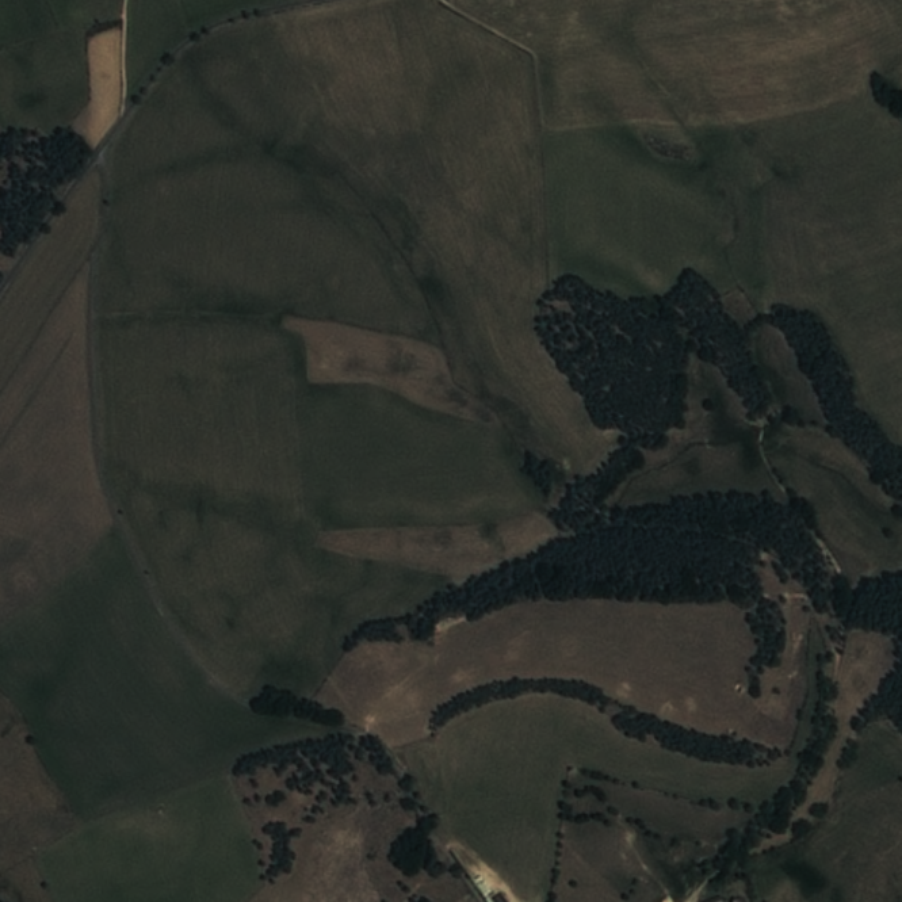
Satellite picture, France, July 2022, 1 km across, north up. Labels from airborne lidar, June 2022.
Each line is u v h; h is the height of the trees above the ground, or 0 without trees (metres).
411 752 0
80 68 0
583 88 0
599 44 0
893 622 21
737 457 0
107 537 0
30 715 0
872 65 0
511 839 0
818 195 0
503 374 0
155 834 0
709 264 0
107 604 0
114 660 0
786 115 0
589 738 0
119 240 0
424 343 0
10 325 0
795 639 0
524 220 0
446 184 0
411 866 18
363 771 0
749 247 0
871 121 0
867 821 0
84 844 0
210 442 0
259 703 15
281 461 0
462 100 0
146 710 0
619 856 0
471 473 0
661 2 0
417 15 0
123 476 0
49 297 0
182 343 0
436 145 0
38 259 0
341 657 0
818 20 0
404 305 0
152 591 0
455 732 0
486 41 0
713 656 0
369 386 0
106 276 0
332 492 0
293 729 0
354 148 0
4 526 0
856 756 15
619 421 19
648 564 19
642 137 0
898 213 0
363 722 0
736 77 0
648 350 19
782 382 0
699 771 0
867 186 0
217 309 0
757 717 0
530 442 0
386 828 0
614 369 22
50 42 0
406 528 0
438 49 0
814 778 11
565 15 0
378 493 0
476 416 0
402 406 0
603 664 0
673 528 12
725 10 0
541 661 0
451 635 0
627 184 0
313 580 0
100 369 0
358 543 0
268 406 0
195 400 0
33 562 0
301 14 0
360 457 0
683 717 0
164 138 0
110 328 0
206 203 0
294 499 0
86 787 0
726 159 0
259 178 0
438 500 0
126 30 0
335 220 0
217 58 0
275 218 0
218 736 0
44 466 0
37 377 0
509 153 0
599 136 0
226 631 0
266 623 0
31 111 0
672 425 12
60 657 0
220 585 0
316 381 0
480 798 0
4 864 0
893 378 0
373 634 15
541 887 0
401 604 0
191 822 0
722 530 17
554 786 0
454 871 12
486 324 0
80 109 0
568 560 18
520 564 17
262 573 0
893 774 0
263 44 0
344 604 0
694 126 0
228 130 0
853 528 0
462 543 0
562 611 0
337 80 0
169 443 0
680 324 17
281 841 10
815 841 0
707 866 15
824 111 0
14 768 0
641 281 0
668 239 0
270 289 0
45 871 0
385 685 0
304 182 0
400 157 0
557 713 0
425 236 0
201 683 0
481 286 0
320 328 0
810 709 0
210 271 0
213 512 0
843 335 0
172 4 0
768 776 0
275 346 0
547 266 0
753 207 0
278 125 0
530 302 0
